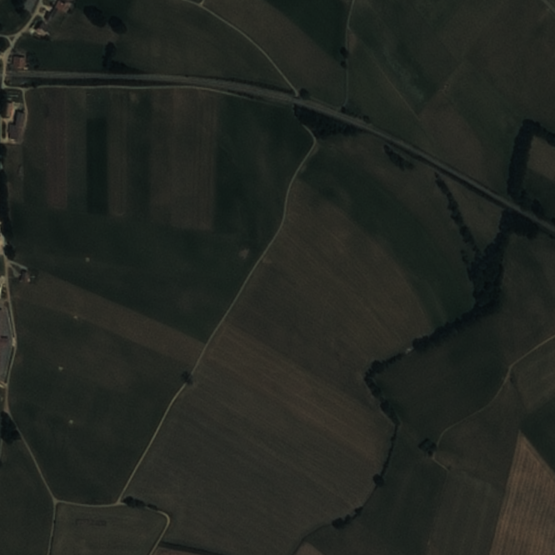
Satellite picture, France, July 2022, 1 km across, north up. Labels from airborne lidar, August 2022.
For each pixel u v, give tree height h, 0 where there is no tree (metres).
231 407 0
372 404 0
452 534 0
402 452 0
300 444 0
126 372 0
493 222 0
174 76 0
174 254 0
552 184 0
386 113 0
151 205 0
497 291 15
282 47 0
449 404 0
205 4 0
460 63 0
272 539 0
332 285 0
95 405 0
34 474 0
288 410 0
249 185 0
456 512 0
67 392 0
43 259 0
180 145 0
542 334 0
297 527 0
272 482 0
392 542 0
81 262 0
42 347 0
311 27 0
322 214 0
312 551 0
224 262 0
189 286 0
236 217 0
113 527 0
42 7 0
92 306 0
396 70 0
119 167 0
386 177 0
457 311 0
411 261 0
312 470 0
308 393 0
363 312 0
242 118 0
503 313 0
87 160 0
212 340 0
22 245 0
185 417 0
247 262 0
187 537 0
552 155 0
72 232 0
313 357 0
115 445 0
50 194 0
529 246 0
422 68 0
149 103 0
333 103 0
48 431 0
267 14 0
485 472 0
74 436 0
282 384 0
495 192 10
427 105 0
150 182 0
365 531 0
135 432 0
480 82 0
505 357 0
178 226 0
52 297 0
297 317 0
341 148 0
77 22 0
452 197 12
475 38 0
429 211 0
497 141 0
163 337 0
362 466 0
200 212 0
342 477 0
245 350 0
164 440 0
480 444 0
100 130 0
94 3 0
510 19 0
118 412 0
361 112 0
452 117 0
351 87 0
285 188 0
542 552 0
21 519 0
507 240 17
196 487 0
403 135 0
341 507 0
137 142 0
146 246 0
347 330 0
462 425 0
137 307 0
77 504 0
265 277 0
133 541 0
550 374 0
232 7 0
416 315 0
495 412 0
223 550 0
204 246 0
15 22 0
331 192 0
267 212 0
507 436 0
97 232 0
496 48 0
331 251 0
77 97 0
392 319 0
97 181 0
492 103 0
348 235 0
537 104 0
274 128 0
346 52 15
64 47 0
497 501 0
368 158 0
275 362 0
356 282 0
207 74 0
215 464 0
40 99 0
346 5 0
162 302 0
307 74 0
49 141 0
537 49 0
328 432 0
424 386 0
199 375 0
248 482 0
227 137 0
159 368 0
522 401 0
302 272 0
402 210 0
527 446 0
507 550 0
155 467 0
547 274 0
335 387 0
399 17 0
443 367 0
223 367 0
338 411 0
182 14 0
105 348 0
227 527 0
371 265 0
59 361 0
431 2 0
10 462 0
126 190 0
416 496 0
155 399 0
